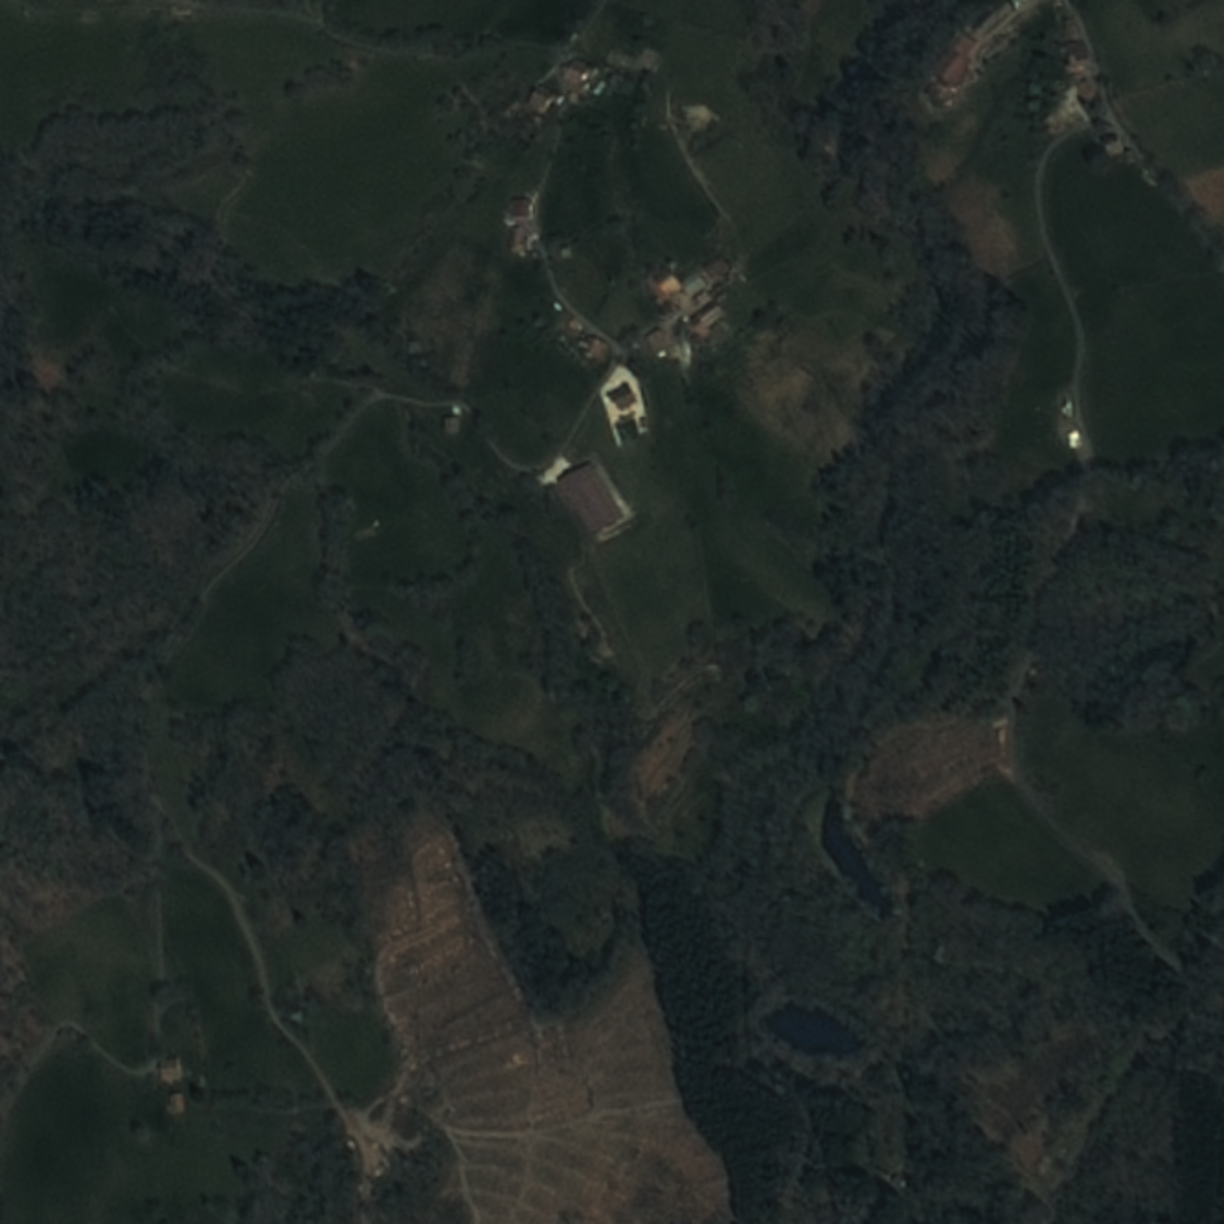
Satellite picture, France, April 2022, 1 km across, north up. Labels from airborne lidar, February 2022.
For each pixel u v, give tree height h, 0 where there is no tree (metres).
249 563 0
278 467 21
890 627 22
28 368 31
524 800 16
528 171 0
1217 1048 8
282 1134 0
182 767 0
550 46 0
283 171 0
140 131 21
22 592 15
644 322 0
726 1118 19
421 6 0
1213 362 0
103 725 24
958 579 8
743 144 0
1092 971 27
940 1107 24
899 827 19
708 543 0
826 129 29
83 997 0
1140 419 0
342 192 0
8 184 19
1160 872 0
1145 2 0
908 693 13
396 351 23
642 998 0
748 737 14
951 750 27
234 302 25
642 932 23
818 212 0
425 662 17
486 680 0
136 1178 0
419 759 14
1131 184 0
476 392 0
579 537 0
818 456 0
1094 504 31
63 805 25
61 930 0
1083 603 15
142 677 25
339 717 25
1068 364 0
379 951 24
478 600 0
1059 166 0
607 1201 0
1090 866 0
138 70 0
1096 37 0
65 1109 0
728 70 0
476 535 7
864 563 24
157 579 22
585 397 0
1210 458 22
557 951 19
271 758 5
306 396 0
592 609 0
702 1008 25
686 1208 0
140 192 13
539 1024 23
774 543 0
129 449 0
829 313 0
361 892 25
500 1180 0
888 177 33
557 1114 0
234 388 0
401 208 0
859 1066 8
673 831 0
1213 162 0
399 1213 22
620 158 0
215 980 0
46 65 0
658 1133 0
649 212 0
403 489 0
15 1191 0
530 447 0
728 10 0
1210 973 31
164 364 19
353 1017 0
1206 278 0
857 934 27
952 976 19
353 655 22
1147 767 0
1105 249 0
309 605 0
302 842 29
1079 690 24
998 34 0
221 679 0
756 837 16
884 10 20
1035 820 0
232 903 0
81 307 0
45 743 16
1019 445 0
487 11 0
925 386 31
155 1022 0
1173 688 32
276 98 0
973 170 0
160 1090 0
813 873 7
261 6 17
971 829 0
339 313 30
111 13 0
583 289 0
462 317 0
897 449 26
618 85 12
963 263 28
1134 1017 19
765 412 0
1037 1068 0
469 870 22
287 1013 23
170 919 0
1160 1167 13
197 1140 0
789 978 14
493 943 21
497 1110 0
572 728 0
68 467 0
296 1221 8
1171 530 16
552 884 14
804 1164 24
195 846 0
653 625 0
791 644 26
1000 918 20
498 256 0
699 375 0
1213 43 0
